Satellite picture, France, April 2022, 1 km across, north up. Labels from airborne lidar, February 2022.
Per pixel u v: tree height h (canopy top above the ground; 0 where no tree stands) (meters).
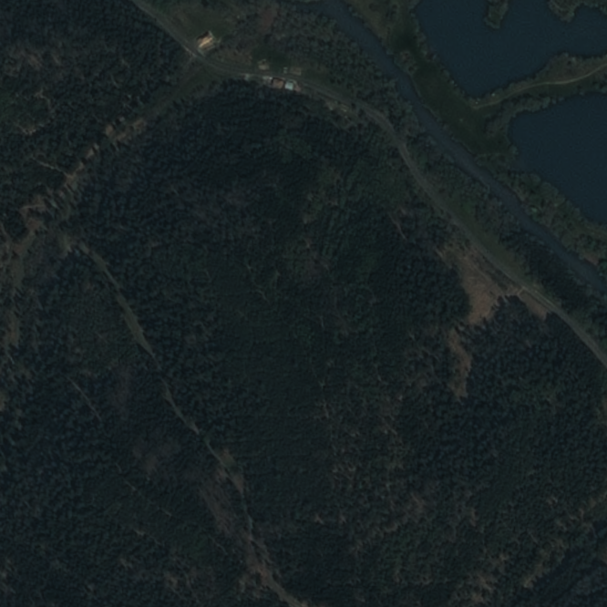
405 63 6
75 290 35
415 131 30
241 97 14
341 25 0
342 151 9
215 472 22
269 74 0
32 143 29
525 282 0
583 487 33
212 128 12
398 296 16
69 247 0
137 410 27
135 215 28
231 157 20
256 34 19
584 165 0
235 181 12
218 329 7
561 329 24
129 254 8
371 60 12
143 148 8
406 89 0
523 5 0
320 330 12
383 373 13
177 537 10
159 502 11
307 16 19
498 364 32
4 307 8
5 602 18
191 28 0
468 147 0
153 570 20
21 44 24
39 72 14
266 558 18
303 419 7
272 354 11
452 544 11
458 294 32
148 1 25
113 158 28
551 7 11
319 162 17
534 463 9
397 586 9
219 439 17
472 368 0
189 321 21
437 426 13
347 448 10
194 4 21
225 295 9
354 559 12
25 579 20
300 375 10
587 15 0
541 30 0
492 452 18
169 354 29
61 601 19
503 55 0
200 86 0
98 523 15
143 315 22
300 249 15
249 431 9
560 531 28
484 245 0
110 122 15
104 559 25
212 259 10
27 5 28
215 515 16
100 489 13
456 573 11
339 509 9
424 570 9
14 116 12
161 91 36
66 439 26
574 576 30
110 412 22
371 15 0
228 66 0
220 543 10
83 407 34
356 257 11
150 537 13
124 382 21
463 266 0
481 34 0
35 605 17
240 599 7
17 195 32
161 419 24
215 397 23
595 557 26
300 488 10
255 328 9
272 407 9
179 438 25
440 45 0
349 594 11
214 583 10
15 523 29
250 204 21
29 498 23
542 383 14
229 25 0
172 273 11
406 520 22
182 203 7
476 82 0
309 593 11
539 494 26
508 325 28
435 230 24
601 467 29
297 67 0
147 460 17
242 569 13
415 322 12
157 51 30
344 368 7
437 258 28
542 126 0
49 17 25
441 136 0
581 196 0
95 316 9
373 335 8
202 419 20
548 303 0
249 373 11
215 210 25
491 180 0
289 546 10
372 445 7
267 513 10
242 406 20
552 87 0
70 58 22
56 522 24
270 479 10
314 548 11
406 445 12
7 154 28
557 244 0
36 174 8
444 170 27
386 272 14
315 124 13
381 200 17
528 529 27
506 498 11
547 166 0
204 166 23
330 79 0
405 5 0
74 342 28
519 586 29
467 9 0
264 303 9
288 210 14
